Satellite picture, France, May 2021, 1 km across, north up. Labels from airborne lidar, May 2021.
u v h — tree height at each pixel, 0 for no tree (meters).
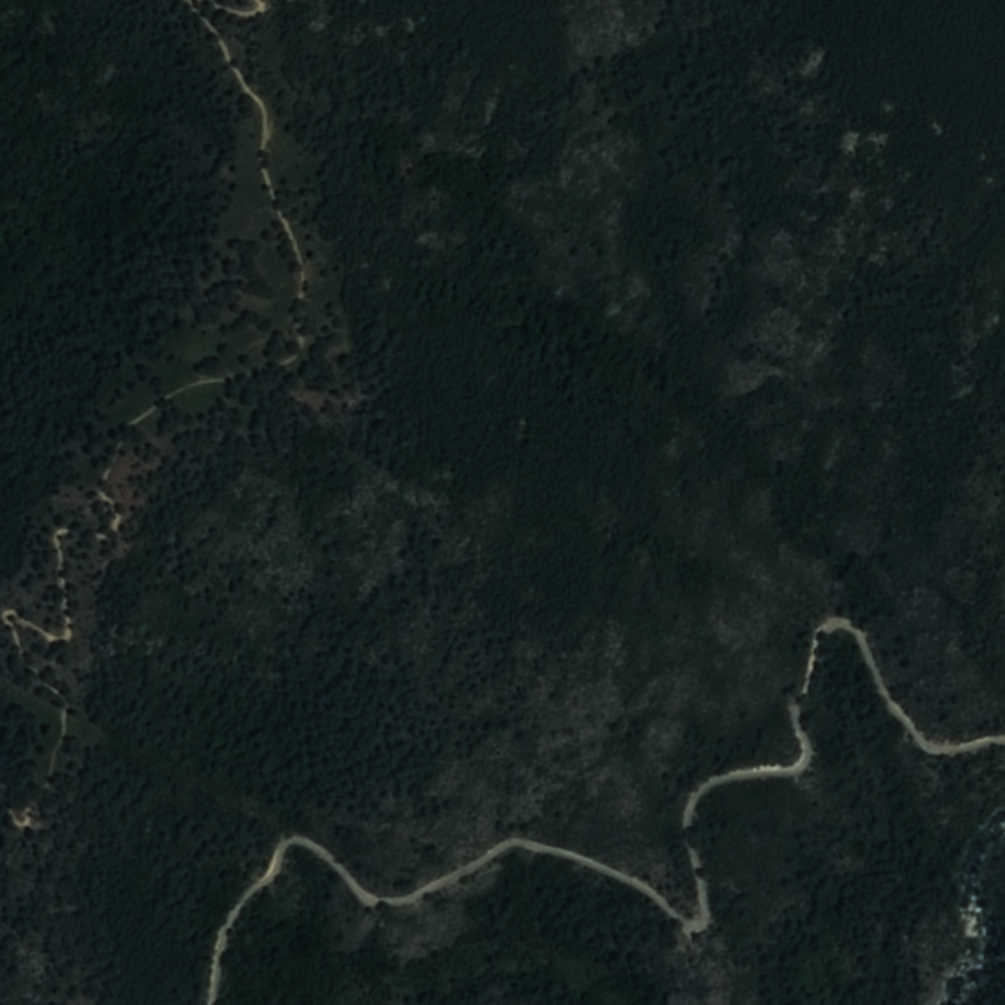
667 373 15
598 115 16
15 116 11
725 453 7
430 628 14
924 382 8
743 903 17
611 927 25
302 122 8
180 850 5
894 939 19
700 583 6
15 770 20
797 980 11
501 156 13
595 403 15
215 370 17
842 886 13
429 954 7
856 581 23
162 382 13
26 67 19
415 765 17
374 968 10
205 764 14
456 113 6
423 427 15
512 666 12
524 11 13
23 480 8
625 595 6
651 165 7
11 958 11
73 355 21
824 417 6
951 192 10
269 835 18
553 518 14
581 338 15
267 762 20
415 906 0
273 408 22
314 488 19
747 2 17
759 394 11
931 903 12
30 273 21
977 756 6
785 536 7
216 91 11
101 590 9
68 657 15
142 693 19
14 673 12
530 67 10
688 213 7
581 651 10
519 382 12
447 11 11
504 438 11
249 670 13
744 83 9
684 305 9
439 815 17
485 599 9
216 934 19
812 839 17
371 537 5
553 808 6
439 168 21
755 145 9
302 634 10
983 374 9
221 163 14
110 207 15
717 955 10
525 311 9
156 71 7
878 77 11
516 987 14
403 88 18
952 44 9
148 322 8
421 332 7
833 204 12
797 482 6
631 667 7
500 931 16
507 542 6
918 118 14
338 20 6
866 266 18
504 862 10
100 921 10
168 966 11
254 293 17
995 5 8
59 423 6
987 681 5
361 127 14
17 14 13
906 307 16
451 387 13
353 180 15
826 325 14
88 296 6
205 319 17
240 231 0
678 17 19
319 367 18
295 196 16
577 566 10
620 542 13
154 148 8
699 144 8
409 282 9
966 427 7
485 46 13
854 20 7
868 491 8
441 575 9
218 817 11
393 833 8
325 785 25
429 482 13
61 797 13
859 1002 24
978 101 10
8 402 20
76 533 17
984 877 22
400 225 8
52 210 12
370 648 8
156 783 21
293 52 8
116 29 12
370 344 19
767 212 11
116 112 12
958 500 7
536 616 11
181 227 6
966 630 11
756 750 12
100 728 17
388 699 17
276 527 15
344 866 19
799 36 9
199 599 16
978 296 8
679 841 17
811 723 24
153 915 12
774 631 6
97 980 19
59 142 9
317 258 18
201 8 14
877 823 20
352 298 10
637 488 9
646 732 18
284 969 16
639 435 19
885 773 9
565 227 7
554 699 12
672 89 20
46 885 23
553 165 12
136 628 9
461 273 12
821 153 13
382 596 19
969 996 19
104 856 17
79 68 9
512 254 23
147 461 15
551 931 17
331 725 25
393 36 9
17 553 9
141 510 12
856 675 16
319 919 12
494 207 14
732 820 7
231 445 17
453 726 13
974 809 8
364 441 16
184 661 16
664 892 12
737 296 8
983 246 9
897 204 7
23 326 12
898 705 15
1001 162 9
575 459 9
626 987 9
